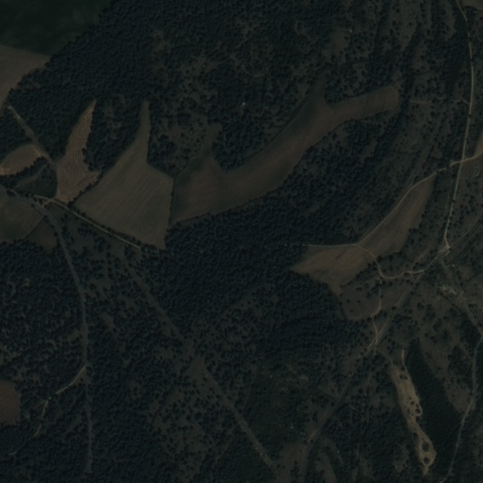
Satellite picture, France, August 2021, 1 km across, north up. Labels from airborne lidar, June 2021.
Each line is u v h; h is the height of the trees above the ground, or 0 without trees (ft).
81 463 35
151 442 34
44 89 30
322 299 33
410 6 0
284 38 27
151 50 30
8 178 31
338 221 22
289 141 0
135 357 35
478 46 19
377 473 30
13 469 41
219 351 30
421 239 28
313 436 0
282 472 0
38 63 0
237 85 30
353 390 0
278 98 45
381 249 0
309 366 29
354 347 22
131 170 0
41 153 0
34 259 44
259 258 41
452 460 29
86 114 0
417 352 30
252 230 43
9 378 28
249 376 33
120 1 33
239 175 0
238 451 17
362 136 33
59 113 39
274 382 0
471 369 23
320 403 37
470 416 19
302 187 41
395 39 27
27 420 22
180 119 46
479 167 0
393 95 0
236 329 27
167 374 33
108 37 29
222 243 41
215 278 31
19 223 0
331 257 0
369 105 0
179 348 38
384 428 25
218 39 26
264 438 21
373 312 0
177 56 43
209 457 39
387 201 22
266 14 38
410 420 0
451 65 35
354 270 0
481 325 24
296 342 51
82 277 56
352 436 23
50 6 0
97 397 35
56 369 36
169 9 37
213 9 26
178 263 38
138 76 41
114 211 0
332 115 0
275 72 29
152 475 36
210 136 0
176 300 35
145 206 0
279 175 0
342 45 0
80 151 0
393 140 30
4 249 25
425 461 24
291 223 26
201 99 23
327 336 49
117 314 38
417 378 33
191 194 0
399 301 0
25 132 45
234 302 33
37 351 37
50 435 31
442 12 27
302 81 35
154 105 34
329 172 45
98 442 31
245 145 29
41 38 0
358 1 38
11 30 0
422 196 0
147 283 29
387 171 26
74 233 0
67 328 40
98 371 34
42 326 36
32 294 42
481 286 0
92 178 0
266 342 31
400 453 44
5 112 19
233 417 19
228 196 0
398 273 0
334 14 44
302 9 27
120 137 31
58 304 48
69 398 42
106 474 24
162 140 35
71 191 0
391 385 31
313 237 31
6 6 0
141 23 40
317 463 0
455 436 28
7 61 0
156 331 25
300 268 0
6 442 47
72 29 0
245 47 26
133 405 28
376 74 35
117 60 49
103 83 30
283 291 32
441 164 22
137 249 0
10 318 31
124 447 31
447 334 29
